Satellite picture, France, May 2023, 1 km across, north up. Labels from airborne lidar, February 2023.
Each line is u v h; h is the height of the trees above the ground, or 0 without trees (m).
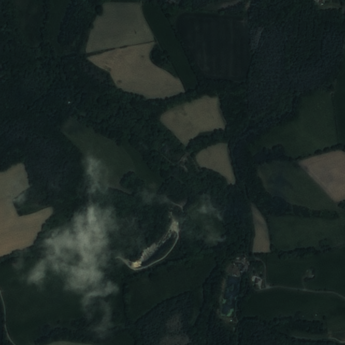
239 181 15
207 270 0
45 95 11
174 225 0
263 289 0
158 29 0
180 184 14
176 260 19
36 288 0
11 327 0
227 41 0
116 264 13
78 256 12
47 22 15
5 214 0
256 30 19
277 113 8
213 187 18
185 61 0
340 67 18
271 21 23
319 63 21
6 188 0
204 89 22
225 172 0
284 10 21
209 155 0
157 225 15
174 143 18
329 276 0
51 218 7
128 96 21
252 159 13
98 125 17
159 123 20
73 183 21
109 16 0
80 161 18
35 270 0
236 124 14
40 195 11
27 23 0
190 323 13
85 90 27
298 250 15
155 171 17
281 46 15
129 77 0
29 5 0
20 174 0
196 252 24
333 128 0
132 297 0
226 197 7
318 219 0
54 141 21
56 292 0
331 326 0
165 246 7
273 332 19
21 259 9
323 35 18
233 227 14
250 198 17
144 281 0
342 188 0
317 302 0
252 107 19
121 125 13
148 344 8
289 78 18
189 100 19
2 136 19
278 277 0
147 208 21
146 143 18
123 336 0
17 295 0
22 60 23
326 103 0
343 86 0
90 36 0
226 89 20
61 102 22
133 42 0
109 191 17
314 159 0
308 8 14
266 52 13
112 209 18
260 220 0
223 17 0
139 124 12
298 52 15
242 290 8
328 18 15
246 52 0
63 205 17
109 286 14
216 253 23
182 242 11
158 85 0
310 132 0
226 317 0
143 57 0
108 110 11
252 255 17
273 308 0
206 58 0
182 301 19
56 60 19
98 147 0
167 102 16
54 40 0
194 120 0
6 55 23
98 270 0
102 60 0
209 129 0
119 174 0
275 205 15
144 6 0
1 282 0
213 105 0
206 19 0
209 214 0
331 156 0
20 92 25
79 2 24
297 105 19
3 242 0
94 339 6
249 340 20
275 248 10
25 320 0
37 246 10
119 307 0
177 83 0
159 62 12
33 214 0
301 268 0
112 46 0
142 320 15
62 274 0
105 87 15
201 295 0
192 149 19
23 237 0
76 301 0
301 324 18
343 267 0
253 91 19
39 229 0
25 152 17
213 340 14
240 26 0
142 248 12
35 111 17
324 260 0
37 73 10
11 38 23
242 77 0
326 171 0
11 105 16
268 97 21
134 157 0
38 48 7
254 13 21
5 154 18
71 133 0
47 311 0
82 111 9
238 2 0
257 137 21
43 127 22
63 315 0
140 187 21
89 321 6
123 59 0
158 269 17
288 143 0
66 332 16
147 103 20
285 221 0
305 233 0
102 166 0
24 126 19
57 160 16
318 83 21
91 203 25
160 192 10
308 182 0
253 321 22
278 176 0
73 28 19
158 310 15
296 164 0
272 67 15
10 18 22
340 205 9
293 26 15
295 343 22
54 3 0
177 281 0
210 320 35
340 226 0
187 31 0
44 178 18
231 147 15
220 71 0
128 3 0
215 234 0
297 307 0
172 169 22
